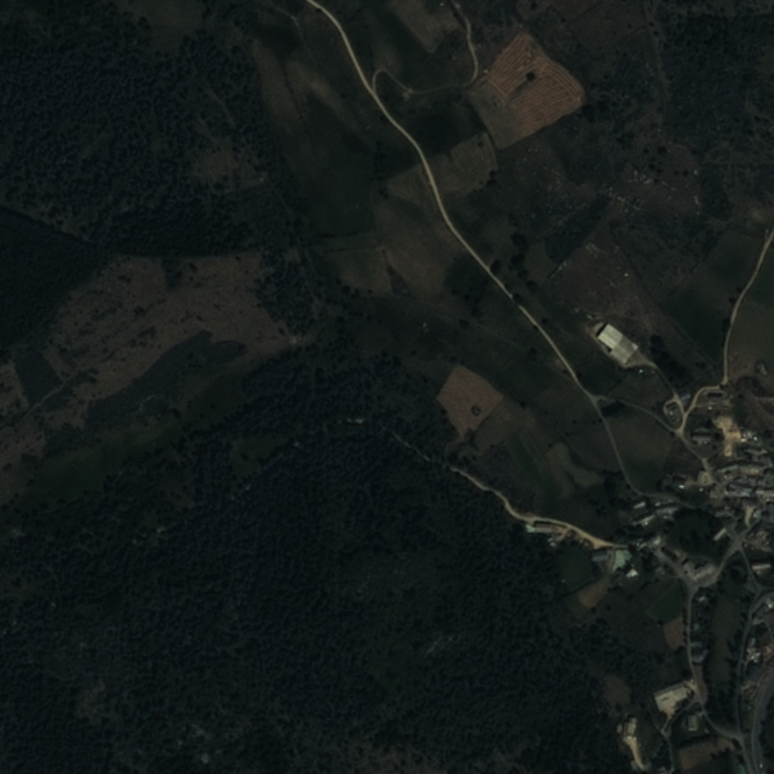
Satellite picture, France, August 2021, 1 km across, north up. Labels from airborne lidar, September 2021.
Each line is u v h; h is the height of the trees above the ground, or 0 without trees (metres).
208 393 0
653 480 0
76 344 0
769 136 8
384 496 16
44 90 16
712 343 0
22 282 21
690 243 0
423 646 8
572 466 0
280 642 17
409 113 0
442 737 6
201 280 0
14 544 10
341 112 0
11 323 22
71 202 11
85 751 14
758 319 0
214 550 15
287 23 0
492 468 0
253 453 0
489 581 12
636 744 0
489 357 0
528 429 0
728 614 0
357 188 0
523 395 0
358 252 0
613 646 7
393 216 0
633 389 0
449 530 7
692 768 0
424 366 0
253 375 10
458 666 12
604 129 0
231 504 14
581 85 0
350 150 0
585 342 0
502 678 8
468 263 0
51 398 0
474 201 0
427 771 0
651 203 0
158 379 0
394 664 6
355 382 16
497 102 0
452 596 7
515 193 0
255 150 6
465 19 0
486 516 9
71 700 11
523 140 0
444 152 0
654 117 0
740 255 0
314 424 11
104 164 7
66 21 9
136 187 16
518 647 16
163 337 0
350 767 6
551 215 0
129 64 13
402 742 9
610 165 0
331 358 6
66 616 6
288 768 9
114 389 0
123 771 13
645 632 0
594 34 0
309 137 0
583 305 0
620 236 0
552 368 0
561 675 18
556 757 17
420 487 8
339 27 0
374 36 0
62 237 17
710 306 0
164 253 17
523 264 8
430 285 0
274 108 0
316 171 0
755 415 0
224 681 7
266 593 15
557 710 10
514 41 0
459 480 9
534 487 0
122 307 0
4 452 0
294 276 10
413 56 0
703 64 11
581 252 0
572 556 0
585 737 16
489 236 0
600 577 8
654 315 0
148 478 7
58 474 0
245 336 0
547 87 0
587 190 0
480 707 9
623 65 0
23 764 13
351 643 11
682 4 9
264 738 13
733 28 8
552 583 7
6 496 0
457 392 0
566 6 0
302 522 15
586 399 0
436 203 0
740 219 0
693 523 0
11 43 7
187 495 6
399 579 6
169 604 7
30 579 14
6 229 23
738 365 0
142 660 9
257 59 0
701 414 0
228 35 0
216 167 0
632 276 0
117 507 15
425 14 0
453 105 0
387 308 0
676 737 7
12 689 12
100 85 14
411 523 17
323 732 7
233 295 0
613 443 0
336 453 16
